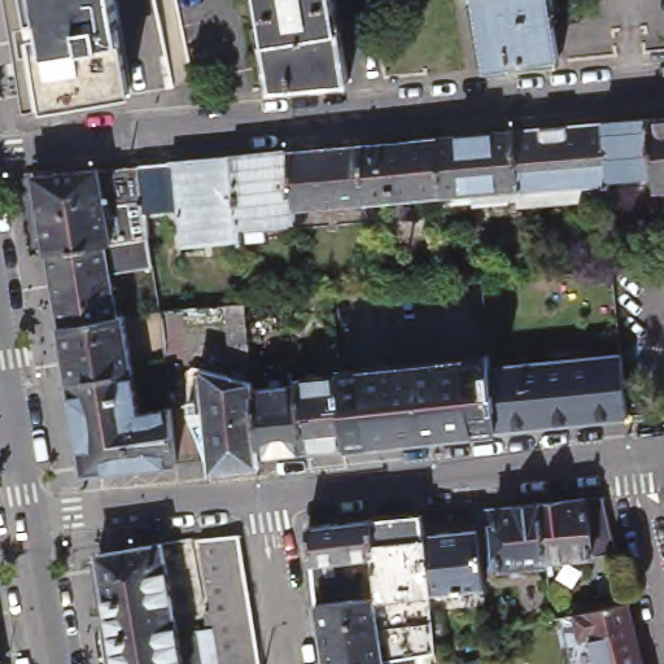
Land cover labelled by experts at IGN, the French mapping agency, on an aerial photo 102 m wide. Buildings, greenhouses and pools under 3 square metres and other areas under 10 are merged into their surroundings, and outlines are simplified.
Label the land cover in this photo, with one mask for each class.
<instances>
[{"label":"building","instance_id":"1","mask_svg":"<svg viewBox=\"0 0 664 664\"><path fill-rule=\"evenodd\" d=\"M13 8L26 26L21 31L26 65L23 86L29 109L36 112L57 106V101L86 104L127 93L117 52L119 44L112 31L109 0H16ZM252 18L259 88L265 112L272 114V119H283L291 99L345 93V88L353 86L350 73L342 67L340 42L332 29L329 0H249ZM469 10L480 78L485 80H490L501 70L503 54L524 65L555 62V36L547 16V0H464ZM88 179L67 197L52 195L49 189L34 184V174H23V200L16 220L21 223L26 252L31 257L44 259L47 288L52 296V311L57 322L54 335L62 392L65 399H70V405L65 407V418L73 451L78 454V477L99 475L101 480H109L140 472L163 475L176 464L200 462L205 482L241 485L259 472V464L265 459H303L306 454H332L335 449H340L342 454H363L371 449L399 446V441L418 444L428 454H444L459 449L467 438H501V433L511 428H550L552 423H576V428L581 431L591 428L594 420L628 418L623 402V394H628L630 379L625 376L620 353L521 361L506 363L501 371L490 366V358L485 355L482 361L467 358L348 374L335 371L327 381H291L285 386L259 389L244 379L215 371H197L195 366V358H200L205 350L208 329L223 332L226 342L233 350L249 348L244 309L239 306L182 309L148 316L150 348L161 350L163 355L179 358L182 368L187 371L184 407L137 415L130 386V342L125 316L117 309L112 280L117 275L153 272L148 220H174L176 249L262 244L270 231H278L293 226L296 215H306L309 223L322 220L329 231H337L342 228L340 220L361 218L366 210L374 208L441 202L451 208L482 210L511 205L516 210H521L558 208L576 205L581 197L589 189L615 184L633 182L643 187L654 197H664V122H573L563 125L560 130H540L537 137L524 135L521 140H514L506 132H493L490 137H467L462 127H446L436 130L433 137L125 166L114 171L119 208L117 218L106 215L101 176L96 163L88 161ZM633 508L628 498H615L610 490L599 498V508L586 506L584 498H560L537 506H488L485 545L475 542V529L438 534L425 532L418 516L324 524L319 529L306 527V550L301 552L303 573L309 571L319 578L329 568L374 565L371 594L366 599H345L329 604L316 602L311 617V628L316 633L311 643L316 664H431L436 659L433 641L444 633V628L436 625L431 617V602L428 586L433 591L457 594L482 591V597L493 589L488 576H501L506 573V568L529 565L545 571L547 576L558 578L563 568L578 571L584 563L589 565L594 555H607V545L612 542L610 521L625 519ZM99 597L104 604L99 615H119V625L101 628L104 635H117V643L104 646L106 664H259L241 542L236 534H228L218 540H184V545L163 540L161 545H135V537H127V547L99 550ZM573 635L581 643H589L581 654L584 664H638L641 654L630 623V604L612 602L610 610L573 617Z\"/></svg>","mask_w":664,"mask_h":664},{"label":"impervious surface","instance_id":"2","mask_svg":"<svg viewBox=\"0 0 664 664\"><path fill-rule=\"evenodd\" d=\"M16 0H0V184L10 187L16 197L23 200V174H34V184L49 189L52 195L67 197L88 179V161L96 163L101 176L106 215L117 218L119 208L114 171L125 166L433 137L436 130L446 127H462L467 137H490L493 132H506L514 140H521L524 135L537 137L540 130H560L563 125L573 122H664V0H602L599 16L594 21H584L571 18L568 0H547V16L555 36V62L524 65L503 54L501 70L490 80H485L480 78L469 10L464 0H457L459 31L464 44L462 70H451L449 75H431L428 70L386 73L384 65L366 60L355 44V23L366 10L363 0H329L332 29L340 42L342 67L350 73L353 86L345 88V93L291 99L283 119H272V114L265 112L259 88H241L236 91V101L231 106L213 112L208 106H195L187 88V62L197 67L220 62L236 67L239 54L244 52L241 21L252 18L249 0H109L112 31L119 44L117 52L127 93L86 104L57 101V106L36 112L29 109L23 86L26 65L21 31L26 26L13 8ZM57 322L52 311V296L47 288L44 259L31 257L26 252L21 223L16 220H0V545L5 560L16 563L13 581L18 584V591L0 602V664H106L104 646L117 643V635H104L101 628L119 625V615H99L104 604L99 597V550L127 547V537H135V545H161L163 540L184 545V540H218L228 534H236L241 542L259 664H316L311 643L316 633L311 628V617L316 602L329 604L345 599H366L371 594L374 565L329 568L319 578L309 571L303 573L301 552L306 550V527L319 529L324 524L418 516L425 532L438 534L475 529V542L485 545L488 506H537L560 498H584L586 506L599 508V498L610 490L615 498H628L633 508L625 519L610 521L612 542L607 545V555H594L589 565L584 563L578 571L563 568L558 578L563 586H573L568 604L571 617L560 620L558 643L568 648L571 664H584L581 654L589 643H581L573 635V617L610 610L612 602L607 581L602 578L604 560L623 555L633 563V573L638 584L646 589L641 604H630V623L641 654L638 664H664V423H635V402L628 399V394H623V402L628 418L594 420L591 428L581 431L576 428V423H552L550 428H511L501 433V438H467L459 449L444 454H428L418 444L399 441V446L371 449L363 454H342L340 449H335L332 454H306L303 459H265L259 464V472L241 485L205 482L200 462L176 464L163 475L140 472L109 480H101L99 475L78 477V454L73 451L65 418V407L70 405V399H65L62 392L54 335ZM425 231V223L407 220L399 223V233L405 241H418ZM612 314H607L602 322L615 324L628 314V327L635 335L638 353L633 376H651L654 397H664V288L638 291V285L630 278H620L617 285L610 288ZM493 589H516L524 610H540L545 597L537 591V581L547 576L545 571L529 565L506 568V573L501 576H488ZM431 602H444L449 610L477 607L482 597V591L457 594L433 591L428 586Z\"/></svg>","mask_w":664,"mask_h":664},{"label":"herbaceous vegetation","instance_id":"3","mask_svg":"<svg viewBox=\"0 0 664 664\"><path fill-rule=\"evenodd\" d=\"M464 44L459 31L457 0H428L418 39L407 47V52L399 60L384 65L386 73L428 70L431 75H449L451 70H462ZM581 197L591 205L604 208L615 218V226L607 231L604 241L615 244L638 231L664 233V197H654L643 187L630 208H623L615 184L589 189ZM511 213L516 210L511 205L482 210L451 208L441 218L438 228H472L480 236V241L495 254H501L514 270L527 267L511 220ZM521 215L529 223L532 239L542 244L576 246L586 239V231L571 226L558 208L521 210ZM293 226L301 233L319 239L314 254L319 265H340L358 244V233L366 228L361 226V218L340 220L342 228L337 231H329L322 220L309 223L306 215H296ZM174 220H148L153 272L117 275L112 280L117 309L125 316L130 342V386L137 415L184 407L187 371L182 368L179 358L163 355L161 350L150 348L148 316L182 309L239 306L241 291H233L228 285V275L244 278L270 254L288 257L291 249L278 236V231H270L262 244L176 249ZM610 288V283L578 275L545 278L527 283L519 293L501 291L495 296H488L477 285L464 293L457 301L428 306H374L363 301H340L332 306L335 335L314 329L309 337H270L265 345L257 342L249 348L233 350L226 342L223 332L208 329L205 350L200 358H195V366L197 371H215L244 379L259 389L285 386L291 381H327L335 371L348 374L467 358L482 361L485 355L490 358V366L501 371L506 363L521 361L620 353L625 376L630 379L633 376L638 353L635 335L628 327V314L615 324L602 322L607 314H612ZM560 620L540 615L534 623H521L519 630L534 635V646L524 661H493V648L485 643L475 651L477 664H571L568 648L558 643Z\"/></svg>","mask_w":664,"mask_h":664},{"label":"deciduous trees","instance_id":"4","mask_svg":"<svg viewBox=\"0 0 664 664\"><path fill-rule=\"evenodd\" d=\"M366 10L355 23V44L366 60L384 65L399 60L407 52V47L418 39L428 0H363ZM602 0H568L571 18L584 21H594L599 16ZM187 88L195 106H208L213 112L231 106L236 101V91L241 88L236 67L220 62L197 67L187 62ZM23 200L16 197L10 187L0 184V220H16ZM571 226L586 231V239L576 246L542 244L532 239L529 252H534V257L540 259L545 278L578 275L610 283V288L617 285L620 278H630L638 285V291L664 288V233L638 231L615 244L604 241L607 231L615 226V218L604 208L591 205L581 197L576 205L558 208ZM412 259L407 265H399L394 257L368 252L358 244L340 265H319L314 254L291 249L288 257L270 254L244 278L228 275V285L233 291H241L239 306L244 309L270 306L275 311H285L293 306H306L311 293L319 285H324L322 278H329L332 283L342 275L355 278L358 283H368V296L363 301L374 306H428L457 301L464 293L459 278L475 275L477 267L469 265L464 249L451 244L441 249H428L425 241H415L410 246ZM628 399L635 402V423H664V397H654L651 376H633L630 379L628 394ZM16 563L5 560L0 545V602L18 591V584L13 581ZM602 578L607 581L612 602L630 604H641L646 589L638 584L633 573V563L623 555L604 560ZM431 617L436 625L444 628V633L433 641L436 659L431 664H477L475 651L485 643L493 648V661H524L534 646V635L519 630L521 623H511L506 628H488V617L480 612L475 625L462 628L451 623L449 610L444 602H431Z\"/></svg>","mask_w":664,"mask_h":664},{"label":"brushwood","instance_id":"5","mask_svg":"<svg viewBox=\"0 0 664 664\"><path fill-rule=\"evenodd\" d=\"M244 52L239 54L236 67L241 88H259L252 18L241 21ZM623 208H630L643 187L633 182L615 184ZM451 208L441 202L374 208L366 210L361 218V226L366 228L358 233V244L368 252L394 257L399 265H407L412 259L410 246L415 241H405L399 233V223L407 220L425 223V231L418 241H425L428 249H441L451 244L464 249L469 265L477 267L475 275L459 278L464 293L477 285L488 296H495L501 291L519 293L527 283L545 278L540 259L534 257V252H529L532 239L529 223L521 215V210H516L511 213V220L527 267L514 270L501 254H495L480 241V236L472 228H438L441 218ZM278 236L291 249L314 254L319 239L301 233L293 226L278 231ZM324 285H319L311 293L306 306H293L285 311H275L270 306L244 309L249 348L257 342L265 345L270 337H309L314 329L335 335L332 306L340 301H363L368 296V283H358L355 278L342 275L332 283L329 278H322ZM537 591L545 597L540 610H524L516 589H493L482 597L477 607L449 610L451 623L462 628L475 625L480 612L488 617V628H506L511 623H534L540 615L560 620L571 617L568 604L573 586H563L558 578L547 576L537 581Z\"/></svg>","mask_w":664,"mask_h":664}]
</instances>
